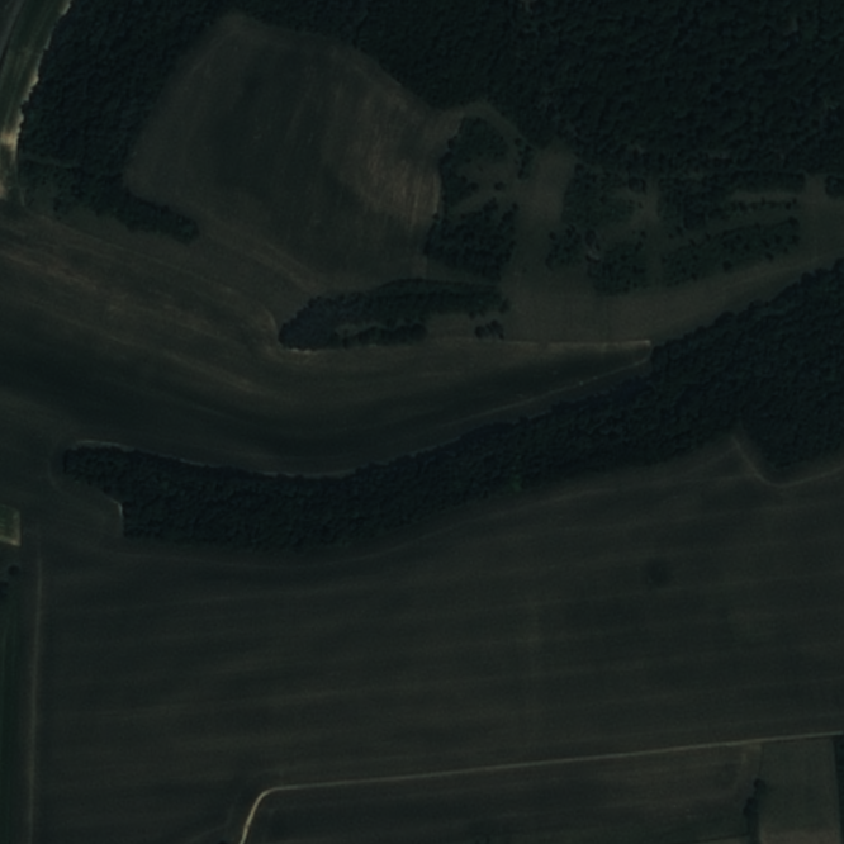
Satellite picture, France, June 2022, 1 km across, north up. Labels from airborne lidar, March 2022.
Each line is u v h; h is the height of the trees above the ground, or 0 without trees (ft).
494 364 0
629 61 62
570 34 22
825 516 0
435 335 0
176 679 0
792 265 0
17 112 0
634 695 0
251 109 0
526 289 0
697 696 0
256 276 0
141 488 69
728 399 74
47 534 0
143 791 0
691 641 0
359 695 0
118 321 0
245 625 0
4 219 0
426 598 0
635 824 0
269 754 0
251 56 0
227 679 0
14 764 0
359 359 0
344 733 0
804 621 0
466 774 0
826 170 28
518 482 37
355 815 0
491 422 0
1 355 0
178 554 0
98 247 0
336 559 0
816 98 90
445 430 0
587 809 0
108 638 0
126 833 0
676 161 51
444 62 60
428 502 41
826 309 47
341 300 36
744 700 0
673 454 42
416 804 0
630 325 0
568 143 36
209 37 0
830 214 0
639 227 0
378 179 0
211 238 0
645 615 0
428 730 0
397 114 0
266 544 35
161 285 0
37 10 0
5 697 0
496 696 0
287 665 0
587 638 0
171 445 0
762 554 0
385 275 0
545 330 0
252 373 0
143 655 0
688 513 0
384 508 56
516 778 0
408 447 0
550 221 0
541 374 0
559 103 38
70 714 0
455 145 46
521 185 0
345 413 0
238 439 0
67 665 0
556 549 0
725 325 52
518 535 0
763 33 90
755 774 0
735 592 0
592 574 0
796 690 0
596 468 40
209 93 0
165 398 0
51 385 0
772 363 81
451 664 0
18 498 0
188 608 0
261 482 56
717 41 81
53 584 0
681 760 0
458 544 0
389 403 0
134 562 0
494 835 0
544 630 0
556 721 0
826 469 0
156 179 0
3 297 0
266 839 0
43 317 0
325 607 0
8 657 0
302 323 53
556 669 0
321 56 0
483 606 0
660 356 52
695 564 0
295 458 0
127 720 0
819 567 0
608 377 0
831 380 70
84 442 0
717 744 0
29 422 0
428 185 0
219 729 0
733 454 0
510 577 0
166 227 42
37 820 0
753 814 51
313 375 0
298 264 0
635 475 0
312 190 0
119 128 51
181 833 0
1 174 0
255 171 0
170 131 0
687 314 0
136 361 0
